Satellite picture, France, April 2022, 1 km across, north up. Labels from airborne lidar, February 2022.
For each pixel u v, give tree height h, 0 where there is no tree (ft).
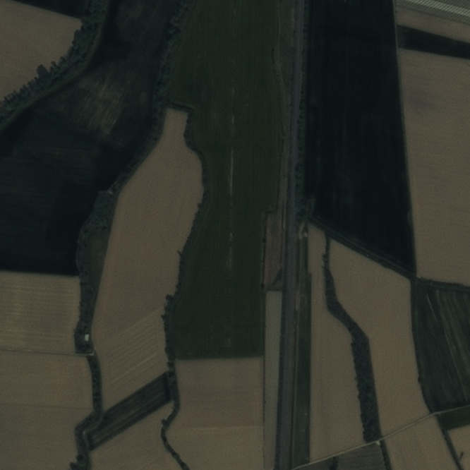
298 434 0
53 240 0
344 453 0
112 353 0
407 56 0
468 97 0
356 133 0
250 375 0
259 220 0
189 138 41
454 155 0
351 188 0
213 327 0
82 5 0
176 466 0
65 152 0
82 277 57
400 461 0
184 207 0
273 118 0
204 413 0
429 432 0
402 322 0
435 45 0
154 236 0
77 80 0
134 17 0
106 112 0
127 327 0
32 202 0
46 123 0
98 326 0
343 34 0
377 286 0
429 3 0
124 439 0
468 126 0
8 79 0
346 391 0
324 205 0
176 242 0
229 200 0
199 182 0
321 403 0
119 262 0
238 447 0
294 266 0
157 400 0
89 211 0
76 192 0
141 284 0
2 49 0
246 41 0
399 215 0
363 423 20
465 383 0
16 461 0
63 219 0
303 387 0
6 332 0
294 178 0
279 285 0
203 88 0
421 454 0
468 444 0
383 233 0
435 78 0
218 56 0
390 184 0
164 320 33
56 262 0
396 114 0
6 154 0
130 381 0
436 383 0
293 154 0
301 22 0
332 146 0
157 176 0
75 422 0
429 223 0
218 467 0
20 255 0
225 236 0
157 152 0
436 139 0
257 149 0
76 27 0
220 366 0
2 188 0
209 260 0
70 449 0
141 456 0
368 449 0
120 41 0
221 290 0
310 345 0
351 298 0
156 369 0
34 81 0
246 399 0
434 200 0
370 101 0
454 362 0
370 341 0
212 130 0
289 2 0
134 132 0
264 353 0
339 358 0
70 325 0
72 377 0
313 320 0
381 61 0
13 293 0
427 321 0
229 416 0
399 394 0
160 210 0
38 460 0
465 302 0
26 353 0
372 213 0
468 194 0
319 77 0
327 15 0
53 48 0
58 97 0
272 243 0
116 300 0
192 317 0
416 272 0
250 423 0
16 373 0
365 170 0
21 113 0
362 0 0
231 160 0
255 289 0
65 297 0
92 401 0
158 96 28
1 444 0
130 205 0
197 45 0
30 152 0
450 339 0
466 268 0
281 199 0
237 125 0
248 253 0
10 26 0
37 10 0
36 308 0
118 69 0
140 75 0
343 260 0
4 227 0
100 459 0
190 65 0
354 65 0
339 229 0
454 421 0
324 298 0
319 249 0
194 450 0
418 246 0
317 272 0
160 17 0
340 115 0
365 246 0
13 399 0
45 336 0
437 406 0
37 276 0
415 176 0
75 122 0
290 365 0
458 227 0
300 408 0
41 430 0
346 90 0
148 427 0
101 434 0
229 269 0
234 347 0
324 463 0
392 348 0
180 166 0
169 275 0
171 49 34
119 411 0
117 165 0
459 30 0
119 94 0
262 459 0
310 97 0
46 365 0
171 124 0
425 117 0
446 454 0
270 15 0
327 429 0
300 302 0
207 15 0
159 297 0
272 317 0
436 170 0
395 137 0
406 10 0
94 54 0
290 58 0
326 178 0
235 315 0
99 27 46
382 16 0
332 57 0
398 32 0
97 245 0
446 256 0
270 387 0
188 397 0
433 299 0
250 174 0
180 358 0
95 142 0
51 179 0
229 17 0
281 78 0
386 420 0
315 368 0
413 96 0
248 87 0
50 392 0
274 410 0
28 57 0
